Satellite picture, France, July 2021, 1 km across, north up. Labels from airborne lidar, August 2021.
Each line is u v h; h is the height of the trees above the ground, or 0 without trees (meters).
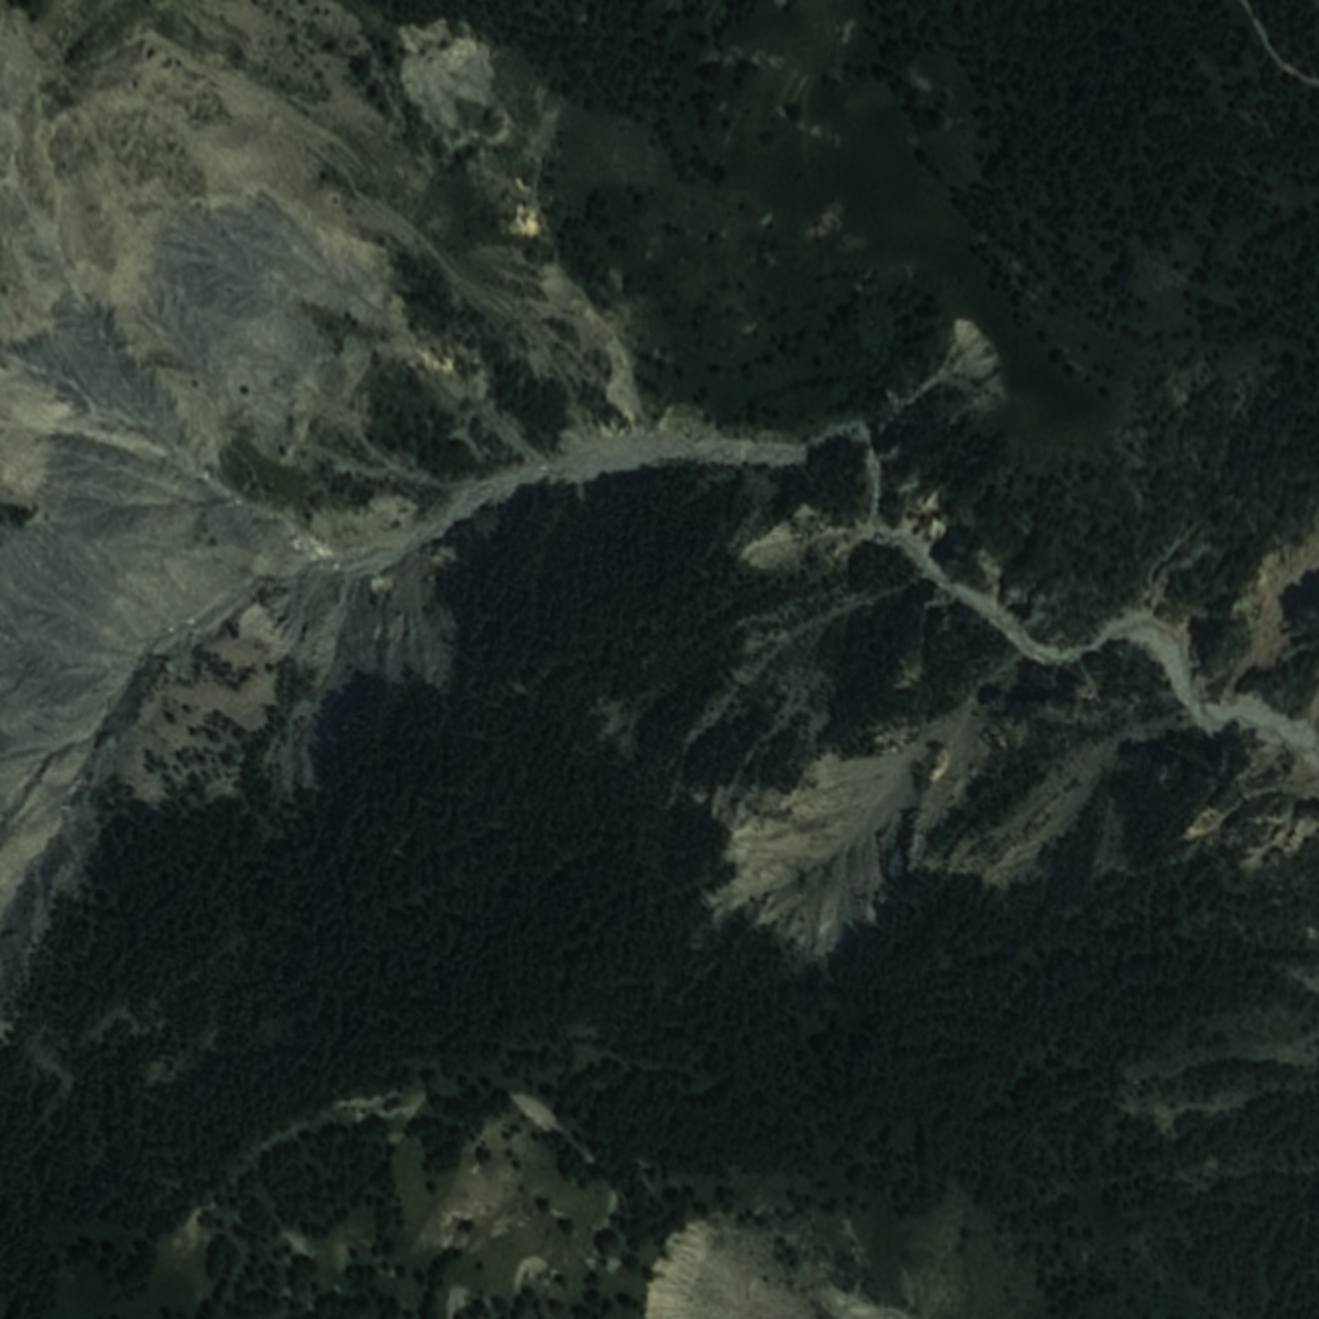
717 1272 0
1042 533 15
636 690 7
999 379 0
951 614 8
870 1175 18
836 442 8
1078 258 10
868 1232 0
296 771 0
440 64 0
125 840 12
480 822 16
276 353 0
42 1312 23
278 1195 18
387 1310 20
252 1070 16
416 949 19
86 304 0
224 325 0
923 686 9
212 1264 16
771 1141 20
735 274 0
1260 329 25
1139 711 6
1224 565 13
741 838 0
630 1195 18
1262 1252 13
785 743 9
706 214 0
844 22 0
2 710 0
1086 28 21
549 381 8
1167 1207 8
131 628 0
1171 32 17
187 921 13
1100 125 15
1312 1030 7
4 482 0
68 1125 15
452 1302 0
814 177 0
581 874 17
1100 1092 15
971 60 13
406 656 0
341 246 0
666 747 9
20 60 0
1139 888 11
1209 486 9
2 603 0
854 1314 0
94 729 0
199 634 0
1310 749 0
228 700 0
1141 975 21
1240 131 8
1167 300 0
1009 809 12
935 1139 20
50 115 0
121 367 0
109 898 21
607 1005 17
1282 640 0
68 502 0
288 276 0
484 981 14
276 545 0
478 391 0
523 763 16
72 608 0
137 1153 21
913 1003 18
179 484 0
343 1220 15
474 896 22
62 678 0
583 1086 22
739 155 0
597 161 0
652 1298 0
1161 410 10
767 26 0
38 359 0
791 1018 24
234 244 0
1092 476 13
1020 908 7
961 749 0
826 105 0
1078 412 0
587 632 16
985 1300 0
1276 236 19
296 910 21
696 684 11
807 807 0
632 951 23
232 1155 13
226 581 0
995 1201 22
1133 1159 10
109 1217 25
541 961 19
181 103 0
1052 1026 20
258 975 11
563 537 11
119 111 0
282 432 0
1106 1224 0
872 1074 18
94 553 0
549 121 0
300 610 0
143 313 0
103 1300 0
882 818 0
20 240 0
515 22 8
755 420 13
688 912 16
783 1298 0
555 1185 0
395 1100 10
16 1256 13
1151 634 0
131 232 0
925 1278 0
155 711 0
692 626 8
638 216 7
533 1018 18
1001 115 12
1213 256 20
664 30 16
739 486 10
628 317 0
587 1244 0
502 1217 0
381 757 14
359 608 0
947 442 9
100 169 0
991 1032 21
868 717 9
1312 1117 24
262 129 0
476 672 10
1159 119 13
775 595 10
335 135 0
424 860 19
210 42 0
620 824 15
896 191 0
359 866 19
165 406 0
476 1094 21
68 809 0
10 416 0
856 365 8
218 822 23
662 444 0
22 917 0
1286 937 8
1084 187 9
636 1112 25
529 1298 18
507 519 7
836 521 7
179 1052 8
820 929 0
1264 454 14
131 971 15
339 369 0
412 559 0
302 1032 10
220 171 0
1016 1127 17
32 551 0
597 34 18
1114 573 14
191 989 9
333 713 0
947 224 0
